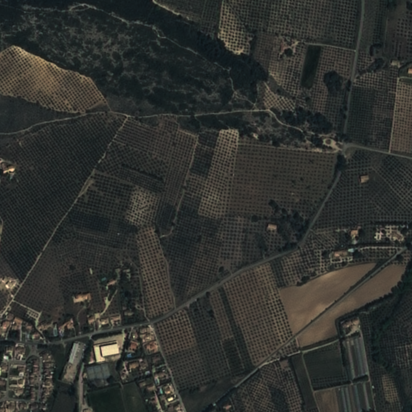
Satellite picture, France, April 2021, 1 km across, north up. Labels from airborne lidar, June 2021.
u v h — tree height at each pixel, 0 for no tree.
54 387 0
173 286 7
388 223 8
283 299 0
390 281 0
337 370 0
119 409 0
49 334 11
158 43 0
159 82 0
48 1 0
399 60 7
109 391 0
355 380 8
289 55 13
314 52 0
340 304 0
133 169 8
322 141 12
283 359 9
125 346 8
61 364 0
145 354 8
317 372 0
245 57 13
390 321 16
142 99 0
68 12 0
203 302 0
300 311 0
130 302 13
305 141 7
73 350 0
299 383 6
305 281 8
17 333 9
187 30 6
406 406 11
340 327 9
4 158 0
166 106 0
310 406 0
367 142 6
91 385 14
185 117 0
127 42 0
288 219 6
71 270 6
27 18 0
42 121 0
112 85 0
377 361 18
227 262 0
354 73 0
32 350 0
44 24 0
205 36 13
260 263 0
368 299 0
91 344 9
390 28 0
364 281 0
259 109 0
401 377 8
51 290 0
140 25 0
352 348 0
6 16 0
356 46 0
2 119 0
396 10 0
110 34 0
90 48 0
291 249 11
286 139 0
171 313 0
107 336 10
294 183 7
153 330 0
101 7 0
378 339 13
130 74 0
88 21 0
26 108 0
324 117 17
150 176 10
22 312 0
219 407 9
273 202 11
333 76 11
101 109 0
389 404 7
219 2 6
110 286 8
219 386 0
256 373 6
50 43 0
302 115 8
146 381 8
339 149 0
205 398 0
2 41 0
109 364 0
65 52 0
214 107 0
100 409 0
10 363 0
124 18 0
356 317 7
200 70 0
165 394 5
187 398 0
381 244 7
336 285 0
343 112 6
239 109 0
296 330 0
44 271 0
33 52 0
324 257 10
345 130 0
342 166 16
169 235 0
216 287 0
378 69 9
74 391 21
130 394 0
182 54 0
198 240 5
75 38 0
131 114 0
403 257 13
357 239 7
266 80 9
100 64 0
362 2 0
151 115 0
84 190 0
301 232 11
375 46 12
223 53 6
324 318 0
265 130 0
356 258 8
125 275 9
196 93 0
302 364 0
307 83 0
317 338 0
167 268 0
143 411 0
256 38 8
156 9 8
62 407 0
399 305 10
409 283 11
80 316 0
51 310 0
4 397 0
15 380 0
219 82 0
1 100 0
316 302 0
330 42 0
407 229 11
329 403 0
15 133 0
